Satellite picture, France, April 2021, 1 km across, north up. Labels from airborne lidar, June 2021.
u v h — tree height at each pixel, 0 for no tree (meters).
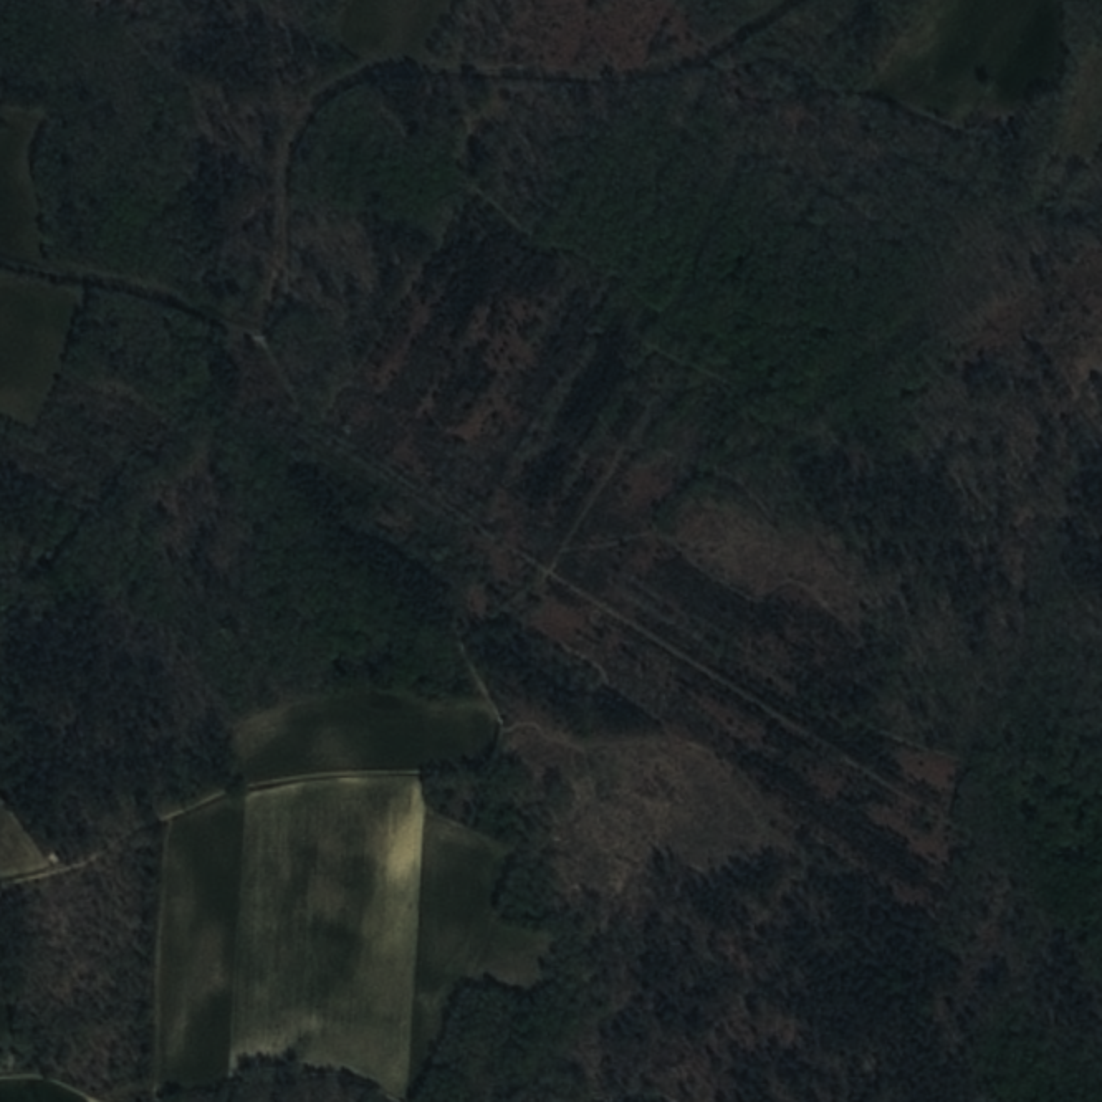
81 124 15
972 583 26
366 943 0
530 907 20
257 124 12
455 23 13
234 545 10
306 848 0
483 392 7
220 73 26
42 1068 15
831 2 16
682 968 12
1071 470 21
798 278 21
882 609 7
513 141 19
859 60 25
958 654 16
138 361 15
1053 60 0
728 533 0
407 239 23
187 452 19
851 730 9
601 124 20
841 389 15
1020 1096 18
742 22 15
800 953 19
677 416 13
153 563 15
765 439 9
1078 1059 15
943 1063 18
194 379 23
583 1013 14
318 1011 0
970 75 0
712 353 18
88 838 23
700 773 0
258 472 24
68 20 16
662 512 15
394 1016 0
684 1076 14
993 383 23
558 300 12
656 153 20
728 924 16
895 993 15
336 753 0
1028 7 0
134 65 20
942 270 24
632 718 18
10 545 22
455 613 11
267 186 15
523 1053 21
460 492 7
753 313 19
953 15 0
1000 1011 11
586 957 20
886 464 19
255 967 0
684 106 19
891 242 22
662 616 12
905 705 13
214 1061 0
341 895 0
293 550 21
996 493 19
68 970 13
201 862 0
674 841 0
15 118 0
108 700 23
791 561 0
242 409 7
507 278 8
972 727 14
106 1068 10
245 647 17
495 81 10
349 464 9
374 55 0
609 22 5
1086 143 0
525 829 14
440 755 0
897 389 18
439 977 0
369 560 22
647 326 7
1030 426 17
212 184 22
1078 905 19
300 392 18
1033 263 11
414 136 22
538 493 9
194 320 18
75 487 10
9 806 16
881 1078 8
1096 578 27
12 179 0
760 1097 15
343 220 17
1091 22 20
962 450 19
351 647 20
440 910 0
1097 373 0
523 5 11
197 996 0
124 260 18
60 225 18
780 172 20
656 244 18
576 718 23
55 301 0
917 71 0
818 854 11
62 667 26
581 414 10
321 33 16
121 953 14
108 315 14
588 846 0
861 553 14
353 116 20
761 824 0
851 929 16
